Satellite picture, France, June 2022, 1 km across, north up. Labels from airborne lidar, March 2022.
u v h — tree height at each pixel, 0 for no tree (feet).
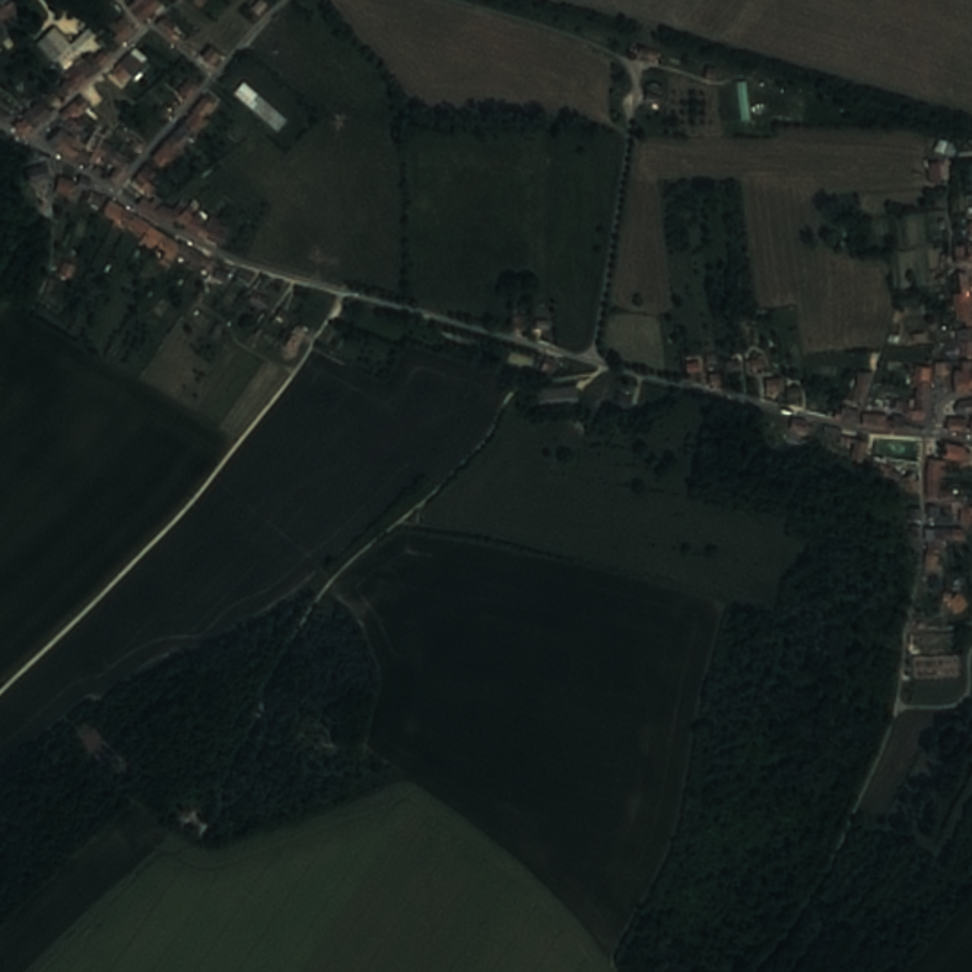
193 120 0
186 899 0
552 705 0
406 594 0
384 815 0
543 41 0
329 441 0
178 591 0
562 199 0
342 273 0
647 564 0
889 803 0
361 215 0
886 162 0
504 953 0
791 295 0
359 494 0
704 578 0
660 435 0
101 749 0
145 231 0
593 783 0
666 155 0
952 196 22
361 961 0
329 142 0
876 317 0
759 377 0
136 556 0
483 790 0
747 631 29
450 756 0
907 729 0
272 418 0
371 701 55
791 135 0
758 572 0
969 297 0
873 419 0
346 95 0
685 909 23
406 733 0
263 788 45
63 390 0
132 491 0
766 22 0
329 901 0
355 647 43
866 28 0
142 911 0
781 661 24
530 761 0
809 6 0
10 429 0
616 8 0
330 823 0
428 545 0
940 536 0
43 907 0
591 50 0
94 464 0
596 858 0
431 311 0
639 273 0
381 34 0
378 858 0
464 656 0
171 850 0
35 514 0
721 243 0
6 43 0
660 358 0
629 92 0
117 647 0
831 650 73
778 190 0
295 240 0
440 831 0
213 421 0
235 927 0
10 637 0
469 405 0
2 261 42
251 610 0
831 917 65
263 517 0
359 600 0
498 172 0
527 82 0
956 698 0
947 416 0
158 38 0
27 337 0
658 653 0
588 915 0
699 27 0
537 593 0
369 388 0
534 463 0
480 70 0
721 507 19
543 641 0
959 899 44
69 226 26
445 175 0
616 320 0
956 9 0
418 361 0
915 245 0
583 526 0
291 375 0
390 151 0
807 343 0
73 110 0
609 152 0
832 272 0
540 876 0
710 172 0
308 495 0
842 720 74
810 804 76
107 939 0
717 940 43
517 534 0
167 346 0
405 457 0
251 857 0
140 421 0
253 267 0
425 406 0
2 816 73
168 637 0
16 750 0
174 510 0
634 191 0
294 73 0
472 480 0
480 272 0
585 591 0
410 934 0
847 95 38
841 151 0
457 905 0
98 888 0
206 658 60
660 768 0
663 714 0
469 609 0
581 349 0
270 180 0
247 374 0
